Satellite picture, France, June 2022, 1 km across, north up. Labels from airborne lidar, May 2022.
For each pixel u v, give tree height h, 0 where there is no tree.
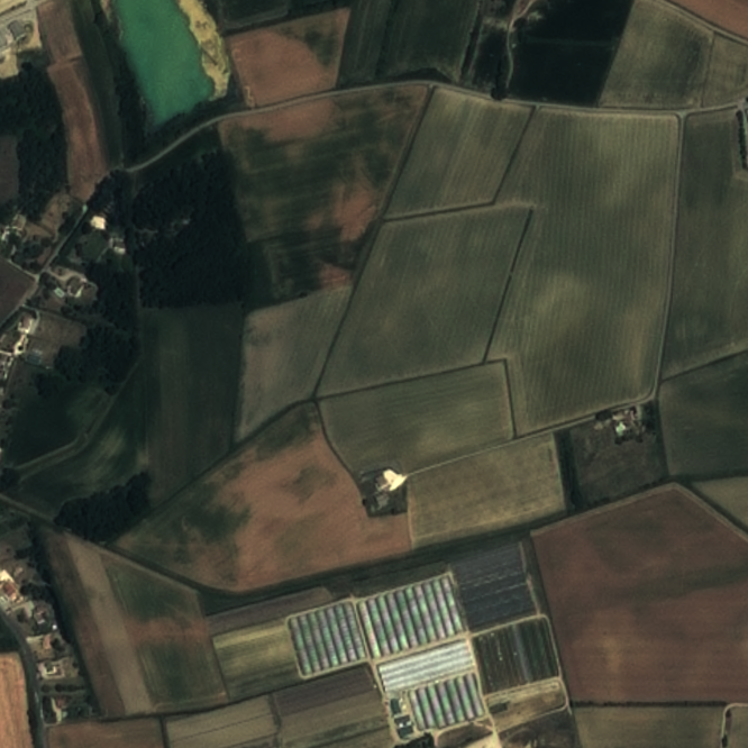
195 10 0
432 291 0
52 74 0
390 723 0
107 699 0
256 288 0
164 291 16
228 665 0
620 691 0
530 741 0
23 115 9
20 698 0
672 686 0
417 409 0
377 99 0
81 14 0
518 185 0
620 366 0
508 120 0
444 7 0
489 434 0
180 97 0
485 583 0
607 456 0
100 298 18
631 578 0
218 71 0
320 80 0
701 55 0
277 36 0
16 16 0
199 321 0
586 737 0
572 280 0
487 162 0
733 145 0
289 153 0
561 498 0
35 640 0
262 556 0
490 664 0
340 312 0
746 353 0
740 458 0
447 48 0
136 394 0
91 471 0
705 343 0
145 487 20
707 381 0
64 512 10
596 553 0
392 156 0
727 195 0
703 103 0
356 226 0
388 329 0
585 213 0
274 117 0
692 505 0
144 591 0
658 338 0
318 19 0
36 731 9
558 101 0
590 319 0
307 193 0
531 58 0
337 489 0
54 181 13
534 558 0
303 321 0
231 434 0
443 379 0
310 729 0
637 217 0
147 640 0
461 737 0
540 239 0
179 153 0
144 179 0
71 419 0
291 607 0
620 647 0
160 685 0
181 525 0
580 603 0
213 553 0
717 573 0
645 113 0
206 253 20
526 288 0
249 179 0
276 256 0
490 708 0
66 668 0
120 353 16
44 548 10
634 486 0
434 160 0
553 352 0
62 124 9
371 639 0
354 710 0
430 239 0
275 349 0
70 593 0
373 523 0
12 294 0
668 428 0
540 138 0
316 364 0
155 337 0
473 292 0
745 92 0
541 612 0
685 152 0
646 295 0
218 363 0
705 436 0
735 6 0
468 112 0
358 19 0
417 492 0
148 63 0
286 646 0
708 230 0
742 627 0
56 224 0
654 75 0
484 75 0
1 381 6
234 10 0
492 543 0
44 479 0
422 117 0
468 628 0
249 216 0
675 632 0
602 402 0
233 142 0
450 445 0
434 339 0
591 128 0
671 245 0
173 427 0
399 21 0
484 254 0
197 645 0
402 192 0
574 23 0
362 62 0
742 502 0
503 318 0
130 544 0
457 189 0
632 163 0
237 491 0
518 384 0
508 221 0
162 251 17
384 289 0
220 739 0
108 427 0
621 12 0
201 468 0
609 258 0
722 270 0
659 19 0
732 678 0
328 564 0
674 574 0
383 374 0
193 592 0
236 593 0
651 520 0
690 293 0
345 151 0
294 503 0
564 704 0
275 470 0
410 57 0
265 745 0
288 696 0
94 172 0
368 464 0
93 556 0
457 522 0
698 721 0
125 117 13
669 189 0
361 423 0
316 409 0
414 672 0
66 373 18
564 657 0
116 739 0
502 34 0
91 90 0
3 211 6
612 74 0
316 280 0
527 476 0
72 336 0
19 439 0
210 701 0
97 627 0
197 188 18
